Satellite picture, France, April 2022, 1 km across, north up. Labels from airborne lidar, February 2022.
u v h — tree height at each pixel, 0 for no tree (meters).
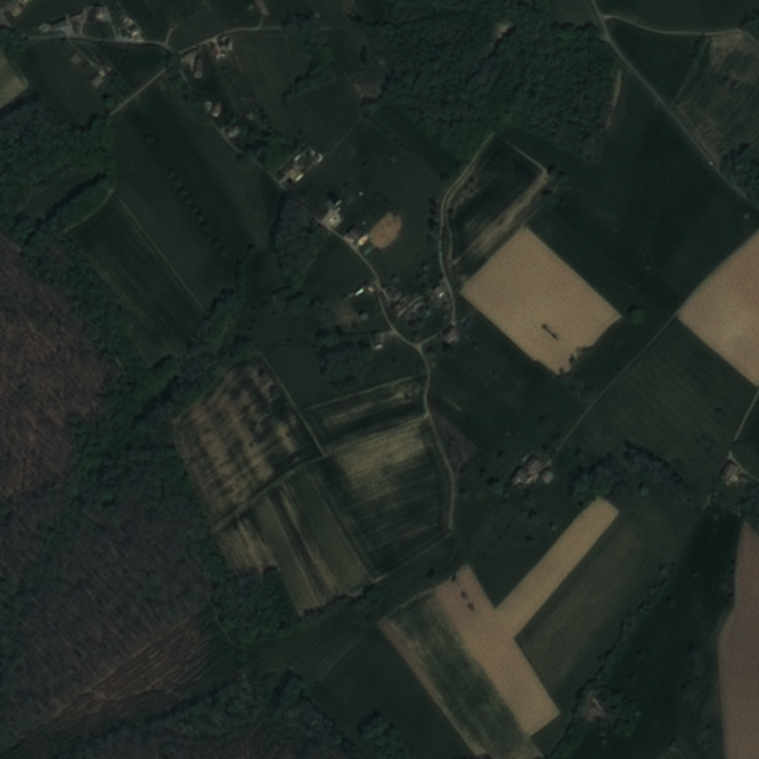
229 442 0
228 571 20
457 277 0
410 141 0
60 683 29
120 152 0
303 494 0
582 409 0
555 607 0
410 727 0
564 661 0
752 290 0
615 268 0
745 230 0
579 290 0
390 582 0
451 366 0
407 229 0
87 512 29
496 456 0
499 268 0
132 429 19
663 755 0
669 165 0
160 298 0
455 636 0
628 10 0
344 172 0
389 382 0
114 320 31
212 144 0
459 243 0
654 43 0
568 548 0
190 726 26
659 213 0
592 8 0
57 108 0
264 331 0
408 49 19
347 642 0
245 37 0
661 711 0
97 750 27
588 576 0
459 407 0
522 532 0
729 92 0
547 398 0
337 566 0
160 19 0
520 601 0
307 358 0
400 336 0
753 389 0
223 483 0
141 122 0
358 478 0
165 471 29
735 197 0
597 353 0
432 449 0
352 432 0
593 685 10
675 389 0
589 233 0
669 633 0
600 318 0
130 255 0
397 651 0
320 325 0
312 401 0
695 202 0
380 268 0
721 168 0
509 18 24
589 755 0
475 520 0
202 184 0
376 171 0
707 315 0
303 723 8
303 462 0
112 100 12
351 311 0
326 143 0
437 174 0
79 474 23
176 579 29
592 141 26
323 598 0
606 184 0
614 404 0
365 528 0
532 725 0
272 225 0
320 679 0
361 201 0
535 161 0
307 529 0
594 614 0
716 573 0
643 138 0
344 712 0
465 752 0
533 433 0
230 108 0
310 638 0
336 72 14
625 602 0
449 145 23
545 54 27
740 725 0
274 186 0
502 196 0
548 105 27
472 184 0
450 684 0
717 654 0
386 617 0
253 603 23
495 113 19
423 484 0
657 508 0
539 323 0
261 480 0
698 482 0
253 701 31
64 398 0
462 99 21
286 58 0
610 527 0
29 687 31
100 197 22
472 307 0
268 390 0
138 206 0
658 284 0
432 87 21
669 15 0
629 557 0
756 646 0
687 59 0
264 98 0
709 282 0
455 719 0
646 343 0
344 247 0
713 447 13
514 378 0
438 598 0
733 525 0
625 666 0
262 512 0
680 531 0
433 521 0
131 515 24
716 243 0
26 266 25
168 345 0
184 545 33
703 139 0
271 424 0
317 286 0
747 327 0
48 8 0
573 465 0
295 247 25
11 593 24
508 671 0
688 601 0
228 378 0
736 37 0
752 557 0
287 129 0
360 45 0
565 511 0
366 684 0
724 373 0
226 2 0
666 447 0
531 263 0
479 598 0
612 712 15
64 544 28
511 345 0
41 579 25
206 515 15
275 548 0
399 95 24
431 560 0
